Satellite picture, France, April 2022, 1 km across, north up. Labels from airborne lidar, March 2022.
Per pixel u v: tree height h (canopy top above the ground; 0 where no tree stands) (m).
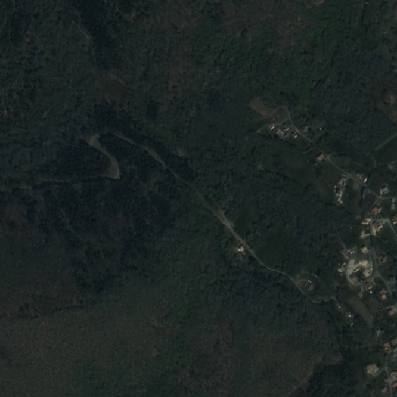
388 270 6
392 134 13
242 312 18
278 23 19
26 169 23
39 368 24
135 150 23
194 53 16
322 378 10
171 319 28
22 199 11
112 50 22
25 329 22
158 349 25
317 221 24
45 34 24
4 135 24
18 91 26
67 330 25
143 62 26
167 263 16
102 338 23
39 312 15
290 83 24
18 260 17
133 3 16
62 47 22
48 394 24
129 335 22
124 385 24
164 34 19
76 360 23
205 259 22
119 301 22
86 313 21
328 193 0
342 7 16
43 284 18
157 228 23
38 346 25
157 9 18
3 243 17
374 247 15
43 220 18
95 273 14
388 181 0
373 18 0
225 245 10
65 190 30
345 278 9
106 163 27
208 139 23
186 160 18
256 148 14
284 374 15
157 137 20
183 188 15
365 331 15
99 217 19
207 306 23
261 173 15
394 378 0
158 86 23
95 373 23
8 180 20
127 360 24
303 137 0
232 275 25
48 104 17
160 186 26
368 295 0
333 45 18
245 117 15
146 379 23
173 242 31
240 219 0
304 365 17
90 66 8
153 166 14
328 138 12
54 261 19
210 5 17
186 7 25
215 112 21
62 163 22
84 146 28
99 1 21
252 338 19
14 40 17
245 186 24
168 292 22
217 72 24
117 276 13
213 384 20
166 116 17
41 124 19
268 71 23
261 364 11
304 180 0
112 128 26
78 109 18
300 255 11
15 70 22
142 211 32
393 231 0
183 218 21
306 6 21
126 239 19
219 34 24
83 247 18
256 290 23
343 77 24
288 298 18
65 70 19
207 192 16
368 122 23
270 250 0
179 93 23
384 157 0
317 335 20
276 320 15
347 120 9
